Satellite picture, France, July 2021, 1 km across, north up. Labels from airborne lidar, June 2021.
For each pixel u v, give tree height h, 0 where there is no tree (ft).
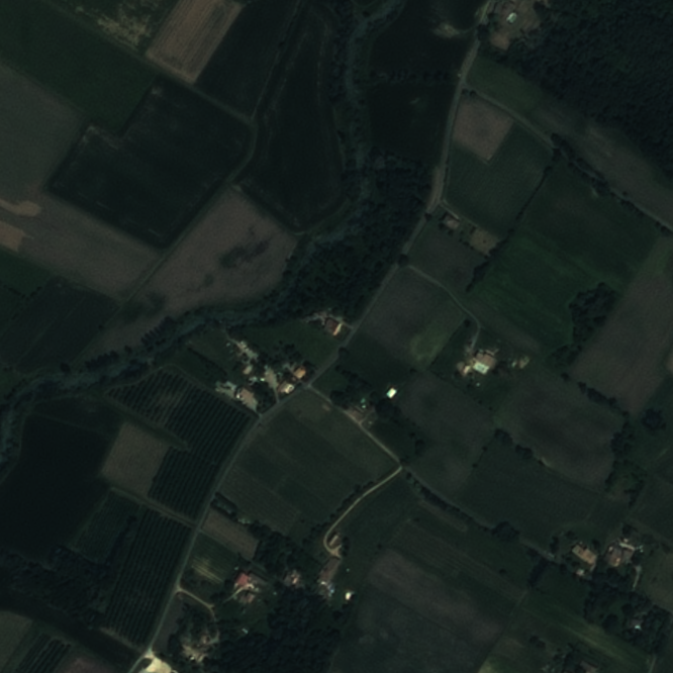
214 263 0
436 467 0
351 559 0
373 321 0
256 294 0
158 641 0
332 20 0
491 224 0
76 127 0
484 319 0
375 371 0
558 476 0
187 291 0
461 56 0
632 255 0
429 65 0
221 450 31
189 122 0
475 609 0
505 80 0
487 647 0
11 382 0
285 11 0
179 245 0
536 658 0
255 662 27
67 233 0
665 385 0
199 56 0
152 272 0
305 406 0
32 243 0
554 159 29
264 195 0
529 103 0
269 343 0
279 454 0
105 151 0
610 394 0
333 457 0
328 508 0
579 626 0
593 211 0
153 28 0
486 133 0
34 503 0
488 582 0
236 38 0
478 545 0
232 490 0
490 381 0
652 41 56
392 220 37
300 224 0
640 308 0
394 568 0
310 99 0
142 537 25
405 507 0
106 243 0
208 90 0
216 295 0
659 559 0
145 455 0
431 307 0
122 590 26
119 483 0
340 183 0
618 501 0
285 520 0
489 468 0
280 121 0
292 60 0
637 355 0
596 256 0
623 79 51
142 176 0
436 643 0
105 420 0
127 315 0
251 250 0
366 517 0
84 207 0
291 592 60
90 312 0
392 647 0
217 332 0
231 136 0
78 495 0
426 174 88
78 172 0
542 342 0
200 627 28
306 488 0
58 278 0
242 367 26
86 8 0
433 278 0
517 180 0
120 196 0
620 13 24
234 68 0
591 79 92
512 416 0
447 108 0
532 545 0
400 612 0
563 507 0
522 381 0
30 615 0
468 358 0
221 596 37
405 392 0
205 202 0
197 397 25
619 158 0
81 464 0
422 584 0
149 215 0
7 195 0
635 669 0
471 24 0
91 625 60
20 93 0
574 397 0
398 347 0
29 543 0
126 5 0
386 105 0
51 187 0
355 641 0
